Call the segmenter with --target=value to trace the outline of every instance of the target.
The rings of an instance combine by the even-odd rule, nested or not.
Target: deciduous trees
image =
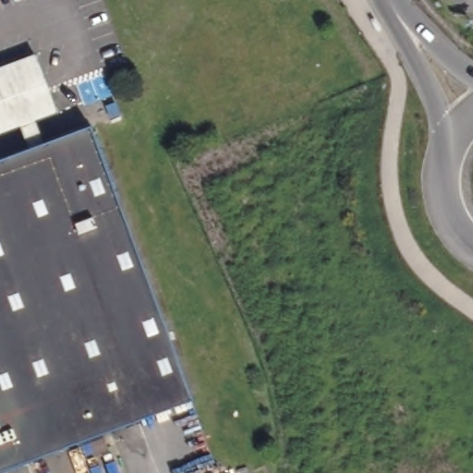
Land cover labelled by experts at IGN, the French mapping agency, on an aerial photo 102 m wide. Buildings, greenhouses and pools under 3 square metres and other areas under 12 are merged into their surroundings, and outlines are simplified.
[[[115,94],[118,103],[131,102],[133,98],[139,98],[142,94],[142,78],[135,67],[131,70],[118,70],[113,78],[105,81],[105,85]]]
[[[262,449],[270,440],[268,425],[262,425],[253,432],[253,447],[257,449]]]
[[[179,135],[174,148],[166,152],[179,163],[188,166],[194,159],[200,159],[201,153],[211,150],[209,139],[205,135]]]

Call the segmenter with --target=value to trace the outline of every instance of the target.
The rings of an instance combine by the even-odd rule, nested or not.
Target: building
[[[174,375],[170,368],[170,362],[177,358],[172,342],[157,333],[157,325],[152,320],[155,314],[161,312],[161,309],[155,303],[152,288],[142,268],[139,251],[135,248],[135,242],[127,229],[124,214],[118,201],[118,181],[113,170],[109,164],[109,157],[103,157],[91,126],[48,140],[44,144],[37,137],[39,120],[55,115],[55,103],[48,83],[42,76],[41,65],[33,55],[0,67],[0,135],[13,129],[20,129],[30,146],[28,150],[0,159],[0,473],[6,473],[6,467],[18,469],[33,462],[41,464],[42,460],[46,460],[46,455],[54,451],[81,451],[83,445],[103,440],[116,425],[133,427],[139,425],[140,419],[146,416],[157,416],[159,412],[168,408],[192,403],[192,395],[188,394],[183,379],[179,375]]]

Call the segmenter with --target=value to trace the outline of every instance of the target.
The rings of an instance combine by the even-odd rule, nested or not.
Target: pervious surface
[[[429,0],[412,0],[431,22],[429,31],[432,35],[442,33],[456,50],[473,59],[473,44],[456,31],[455,24],[443,20],[442,15],[434,9]]]

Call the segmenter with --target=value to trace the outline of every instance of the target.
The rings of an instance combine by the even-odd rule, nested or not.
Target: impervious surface
[[[109,157],[109,164],[113,170],[116,168],[116,155],[109,129],[122,122],[118,103],[115,94],[105,85],[105,81],[113,78],[118,70],[131,70],[135,67],[126,55],[122,54],[122,48],[116,39],[115,26],[107,17],[103,0],[0,0],[0,67],[33,55],[41,65],[42,76],[48,83],[55,103],[55,115],[39,120],[37,137],[44,144],[48,140],[91,126],[103,157]]]
[[[152,320],[157,325],[157,333],[172,342],[177,358],[170,362],[170,368],[174,375],[179,375],[183,379],[183,346],[179,344],[174,333],[174,323],[168,318],[168,314],[161,312],[155,314]]]
[[[0,159],[28,150],[30,146],[20,129],[13,129],[0,135]]]
[[[464,15],[467,11],[469,15],[473,15],[473,0],[453,0],[453,13]]]
[[[124,214],[127,229],[135,242],[135,248],[139,251],[142,268],[152,288],[155,303],[161,309],[161,303],[164,303],[163,290],[155,281],[152,270],[148,268],[148,251],[142,246],[139,227],[133,229],[131,214]]]
[[[416,238],[412,236],[399,192],[397,159],[406,94],[416,89],[429,126],[427,148],[421,163],[423,207],[434,233],[442,240],[443,246],[473,272],[473,59],[456,50],[442,33],[432,35],[429,31],[431,22],[412,0],[342,0],[349,15],[357,22],[358,28],[370,42],[375,54],[379,55],[390,76],[382,83],[382,91],[388,92],[390,98],[382,133],[381,188],[384,209],[395,244],[406,264],[412,268],[412,272],[416,273],[434,294],[438,294],[451,307],[455,307],[462,314],[466,314],[469,320],[473,320],[473,297],[467,296],[466,292],[453,285],[425,257]]]
[[[6,467],[6,473],[275,473],[279,464],[253,469],[240,466],[238,469],[229,469],[222,466],[218,460],[214,460],[207,447],[211,436],[203,436],[198,410],[192,403],[168,408],[159,412],[157,416],[146,416],[140,419],[139,425],[133,427],[116,425],[103,440],[83,445],[81,451],[54,451],[46,455],[46,460],[42,460],[41,464],[33,462],[18,469]]]

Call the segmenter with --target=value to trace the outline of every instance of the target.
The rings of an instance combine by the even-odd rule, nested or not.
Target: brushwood
[[[201,177],[201,188],[209,187],[214,181],[236,174],[242,168],[248,168],[249,164],[259,163],[262,153],[272,148],[286,146],[285,139],[268,137],[262,144],[257,144],[257,153],[246,163],[236,163],[225,170]]]

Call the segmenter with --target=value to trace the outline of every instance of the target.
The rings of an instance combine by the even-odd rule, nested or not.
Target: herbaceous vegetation
[[[183,346],[183,379],[188,394],[192,395],[192,403],[198,410],[203,436],[211,436],[207,447],[214,460],[218,460],[222,466],[229,469],[238,469],[240,466],[253,469],[279,464],[275,473],[473,473],[473,320],[469,320],[466,314],[462,314],[455,307],[451,307],[438,294],[434,294],[416,273],[412,272],[412,268],[406,264],[395,244],[384,209],[381,188],[382,133],[390,98],[388,92],[382,91],[382,83],[390,76],[379,55],[375,54],[370,42],[358,28],[357,22],[349,15],[342,0],[103,0],[107,17],[115,26],[116,39],[122,48],[122,54],[126,55],[135,67],[142,78],[142,94],[139,98],[133,98],[131,102],[118,103],[122,122],[109,129],[116,155],[116,168],[113,170],[118,181],[118,201],[124,214],[131,214],[133,229],[139,227],[142,246],[148,251],[148,268],[152,270],[155,281],[163,290],[164,303],[161,303],[161,309],[161,312],[168,314],[168,318],[174,323],[174,333],[179,344]],[[174,148],[179,135],[205,135],[209,139],[211,150],[201,153],[200,159],[194,159],[188,166],[179,163],[166,152]],[[257,144],[262,144],[268,137],[285,139],[286,146],[272,148],[262,153],[259,163],[249,164],[248,168],[242,168],[236,174],[214,181],[209,187],[201,188],[201,177],[225,170],[236,163],[246,163],[257,153]],[[270,440],[262,449],[257,449],[253,447],[253,432],[262,425],[268,425]]]
[[[473,44],[473,15],[469,15],[467,11],[464,15],[453,13],[453,0],[429,0],[434,9],[442,15],[443,20],[455,24],[456,31]]]
[[[473,297],[473,272],[443,246],[442,240],[434,233],[423,207],[421,163],[427,148],[429,126],[416,89],[406,94],[397,159],[399,192],[412,236],[416,238],[425,257],[453,285],[466,292],[467,296]]]

